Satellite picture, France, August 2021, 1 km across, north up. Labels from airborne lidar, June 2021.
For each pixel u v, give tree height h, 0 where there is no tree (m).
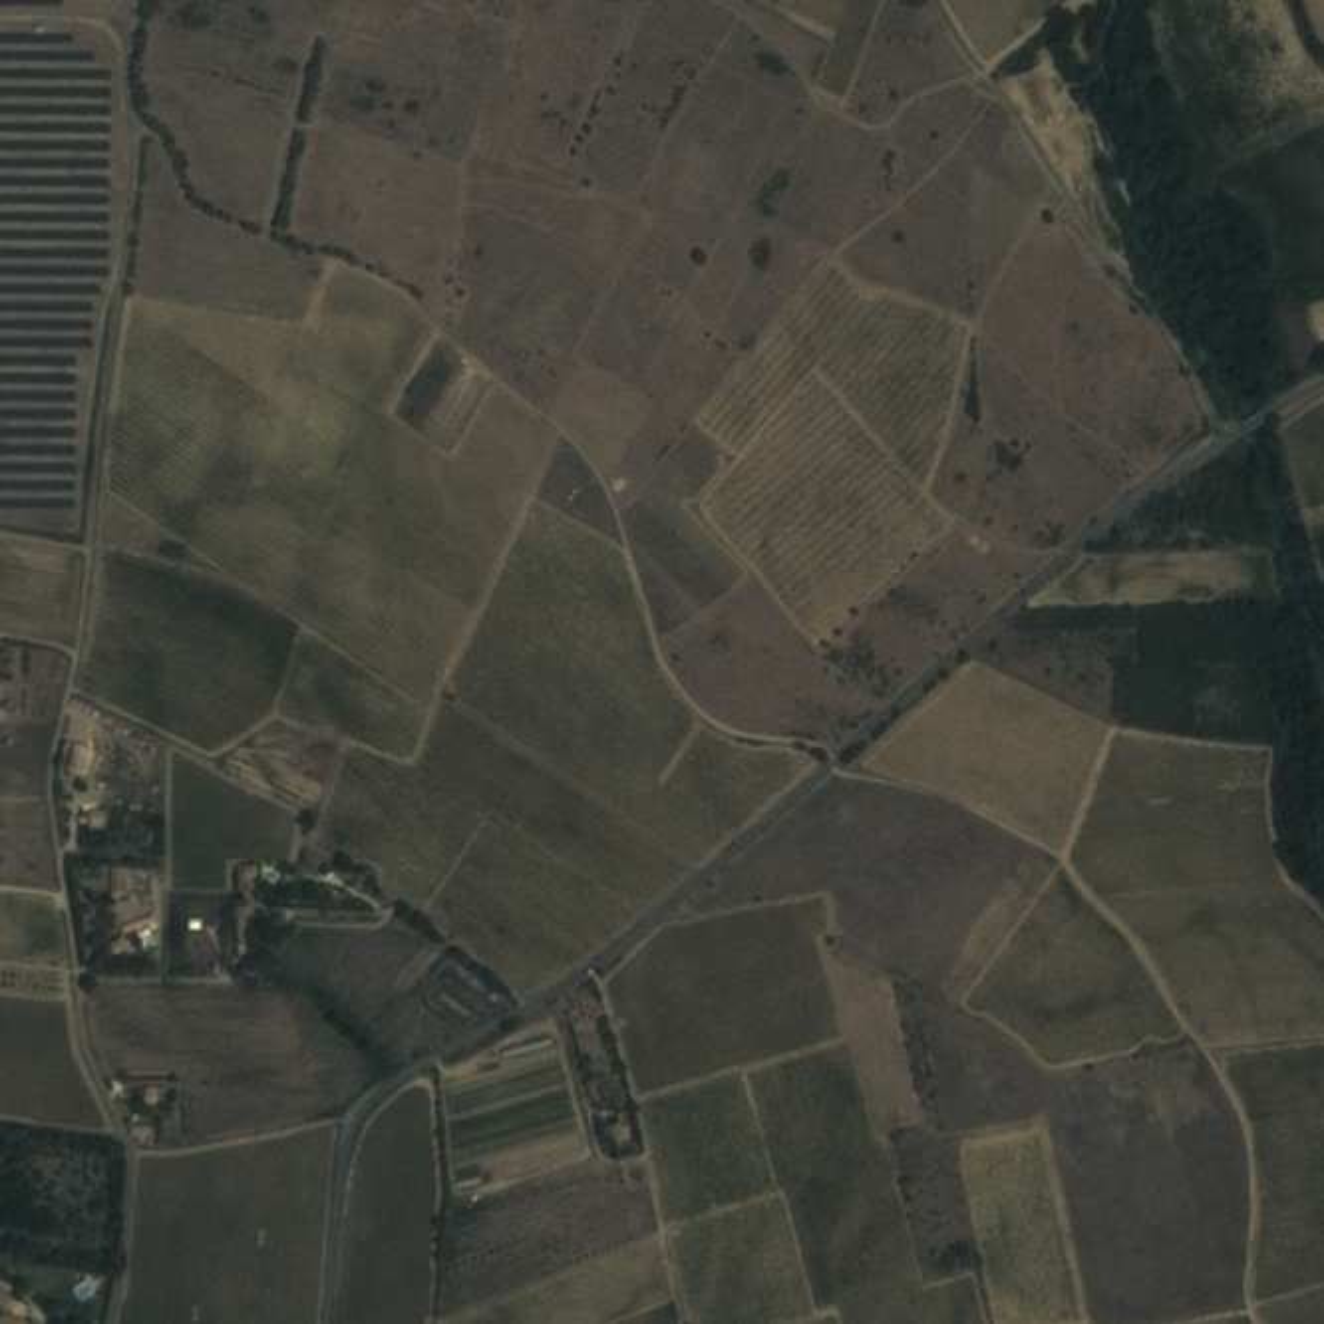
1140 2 13
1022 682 0
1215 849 0
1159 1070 0
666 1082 0
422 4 0
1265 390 18
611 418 0
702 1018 0
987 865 0
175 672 0
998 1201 0
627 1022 0
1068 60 12
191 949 0
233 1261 0
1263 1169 0
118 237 0
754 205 0
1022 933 0
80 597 0
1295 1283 0
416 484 0
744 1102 0
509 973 0
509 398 0
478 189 0
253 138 0
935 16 0
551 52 0
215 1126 0
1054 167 0
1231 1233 0
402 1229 0
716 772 0
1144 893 0
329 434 0
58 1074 0
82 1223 6
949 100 0
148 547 0
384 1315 0
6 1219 12
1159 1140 0
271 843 0
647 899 0
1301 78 0
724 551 0
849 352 0
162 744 0
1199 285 14
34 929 0
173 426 0
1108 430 0
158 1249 0
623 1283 0
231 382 0
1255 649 10
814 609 0
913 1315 0
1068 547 0
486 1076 0
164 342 0
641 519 0
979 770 0
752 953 0
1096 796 0
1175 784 0
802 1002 0
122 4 0
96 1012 0
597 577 0
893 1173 0
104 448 0
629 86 0
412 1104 0
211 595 0
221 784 0
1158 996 0
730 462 0
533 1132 0
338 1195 0
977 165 0
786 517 0
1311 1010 0
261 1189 0
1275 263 22
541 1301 0
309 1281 0
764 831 0
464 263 0
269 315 0
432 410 0
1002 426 0
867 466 0
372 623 0
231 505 0
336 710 0
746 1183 0
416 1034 0
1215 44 0
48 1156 7
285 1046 0
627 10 0
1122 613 6
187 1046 0
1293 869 11
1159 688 6
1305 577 12
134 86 6
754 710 0
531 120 0
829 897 0
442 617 0
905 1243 0
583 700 0
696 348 0
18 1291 13
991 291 0
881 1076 0
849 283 0
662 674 0
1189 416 0
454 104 0
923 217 0
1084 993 0
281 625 0
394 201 0
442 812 0
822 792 0
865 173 0
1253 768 0
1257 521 9
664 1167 0
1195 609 8
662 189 0
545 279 0
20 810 0
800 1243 0
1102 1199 0
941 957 0
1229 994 0
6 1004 0
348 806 0
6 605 0
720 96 0
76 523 0
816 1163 0
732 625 0
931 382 0
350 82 0
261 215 0
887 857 0
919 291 0
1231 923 0
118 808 0
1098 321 0
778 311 0
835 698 0
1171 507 8
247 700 0
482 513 0
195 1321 0
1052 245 0
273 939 8
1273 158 0
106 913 10
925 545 0
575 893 0
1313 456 0
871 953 0
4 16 0
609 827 0
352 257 6
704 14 0
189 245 0
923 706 0
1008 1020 0
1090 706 0
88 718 0
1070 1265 0
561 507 0
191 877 0
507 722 0
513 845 0
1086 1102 0
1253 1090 0
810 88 0
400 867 0
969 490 0
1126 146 14
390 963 0
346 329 0
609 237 0
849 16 0
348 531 0
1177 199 15
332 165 0
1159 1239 0
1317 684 28
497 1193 0
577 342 0
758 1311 0
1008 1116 0
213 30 0
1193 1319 0
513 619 0
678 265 0
